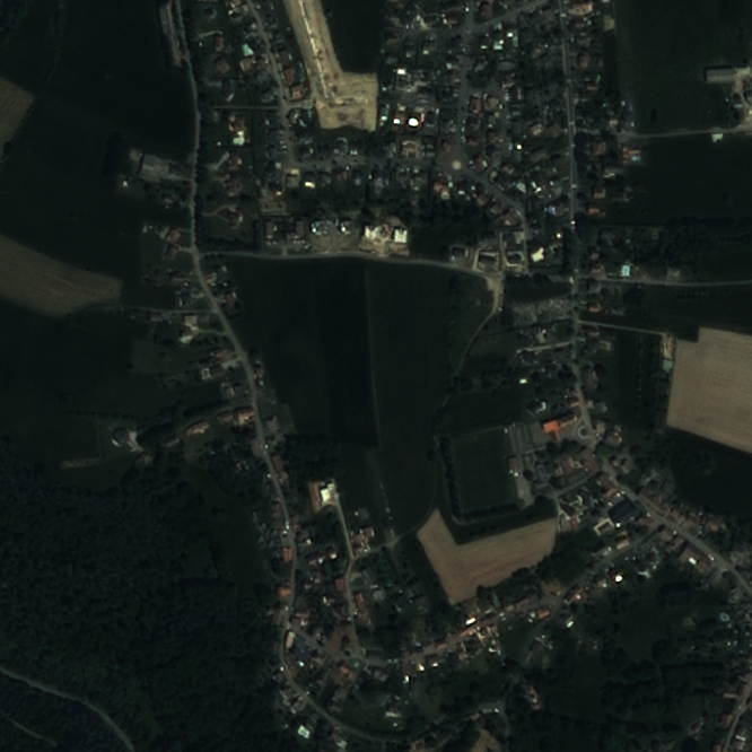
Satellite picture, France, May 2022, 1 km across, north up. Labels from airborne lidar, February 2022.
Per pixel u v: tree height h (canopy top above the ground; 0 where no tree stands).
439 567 0
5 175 0
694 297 9
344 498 0
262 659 20
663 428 0
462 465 0
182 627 14
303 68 0
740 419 0
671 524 0
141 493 11
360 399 0
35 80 0
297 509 6
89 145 0
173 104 0
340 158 0
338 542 9
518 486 0
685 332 0
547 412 0
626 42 0
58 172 0
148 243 0
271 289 0
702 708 0
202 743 15
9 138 0
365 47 0
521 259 0
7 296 0
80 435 0
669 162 0
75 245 0
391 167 6
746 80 0
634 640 0
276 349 0
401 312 0
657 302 0
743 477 0
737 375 0
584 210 0
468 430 0
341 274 0
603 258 15
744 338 0
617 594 6
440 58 0
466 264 0
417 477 0
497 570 0
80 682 23
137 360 0
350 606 0
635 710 11
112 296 0
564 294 0
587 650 0
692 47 0
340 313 0
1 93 0
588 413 0
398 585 12
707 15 0
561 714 0
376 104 0
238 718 19
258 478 18
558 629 0
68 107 0
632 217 0
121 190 0
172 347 8
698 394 0
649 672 19
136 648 29
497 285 0
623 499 0
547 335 0
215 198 7
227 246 16
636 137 0
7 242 0
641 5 0
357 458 0
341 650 0
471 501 0
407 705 0
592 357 0
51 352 0
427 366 0
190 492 19
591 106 0
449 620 6
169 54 18
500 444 0
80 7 0
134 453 0
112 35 0
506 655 0
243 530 0
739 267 0
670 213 0
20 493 25
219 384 0
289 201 0
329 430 0
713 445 0
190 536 26
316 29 0
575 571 0
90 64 0
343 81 0
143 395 0
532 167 0
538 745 0
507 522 0
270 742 22
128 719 18
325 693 0
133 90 0
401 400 0
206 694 27
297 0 0
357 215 0
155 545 26
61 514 14
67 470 0
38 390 0
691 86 0
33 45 0
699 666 15
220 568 15
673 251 15
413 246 0
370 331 0
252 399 0
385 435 0
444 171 0
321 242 0
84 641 17
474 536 10
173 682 22
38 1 0
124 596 22
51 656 27
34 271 0
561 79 14
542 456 6
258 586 0
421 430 0
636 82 0
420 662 0
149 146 0
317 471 23
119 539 26
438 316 0
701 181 0
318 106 0
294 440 16
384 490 0
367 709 0
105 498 16
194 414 10
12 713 17
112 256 0
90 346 0
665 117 0
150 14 0
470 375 0
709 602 0
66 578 28
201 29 0
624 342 0
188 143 0
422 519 0
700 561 0
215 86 0
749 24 0
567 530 0
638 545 0
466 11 0
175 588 16
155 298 0
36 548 13
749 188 0
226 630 19
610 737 24
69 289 0
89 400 0
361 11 0
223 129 0
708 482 0
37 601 28
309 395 0
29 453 0
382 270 0
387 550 6
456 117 0
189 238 0
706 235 19
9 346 0
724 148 0
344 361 0
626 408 0
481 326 0
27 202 0
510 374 6
